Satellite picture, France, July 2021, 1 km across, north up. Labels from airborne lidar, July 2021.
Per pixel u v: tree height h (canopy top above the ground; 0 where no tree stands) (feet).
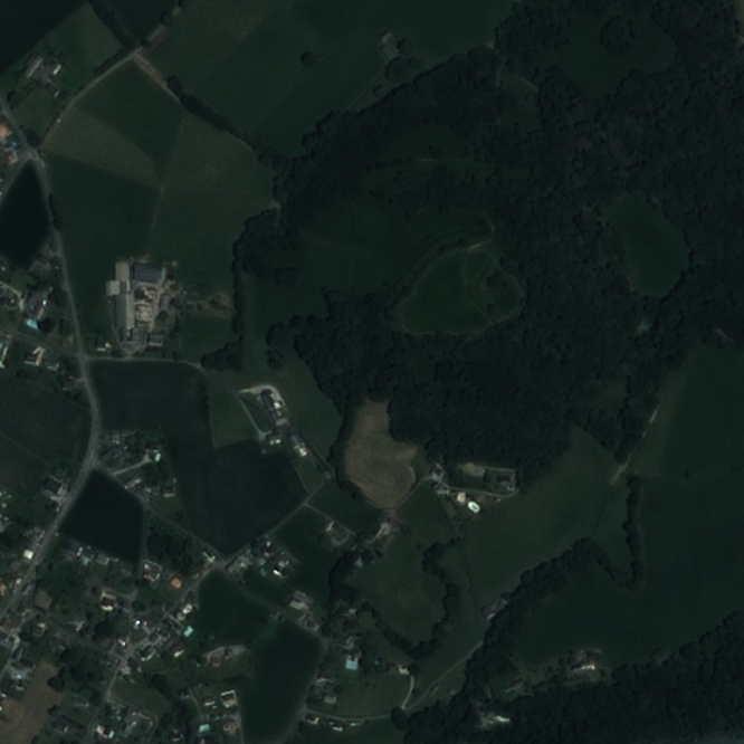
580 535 0
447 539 0
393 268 0
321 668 25
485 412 72
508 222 23
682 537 0
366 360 42
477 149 24
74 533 0
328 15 0
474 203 36
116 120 0
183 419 0
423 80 62
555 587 82
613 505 0
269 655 0
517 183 54
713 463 0
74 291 0
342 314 71
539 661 0
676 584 0
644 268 0
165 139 0
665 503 0
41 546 0
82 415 0
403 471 0
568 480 0
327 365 69
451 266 0
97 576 0
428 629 0
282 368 76
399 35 0
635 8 36
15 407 0
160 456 0
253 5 0
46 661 0
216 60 0
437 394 83
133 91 0
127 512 0
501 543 0
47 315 0
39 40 0
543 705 77
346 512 0
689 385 0
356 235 0
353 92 0
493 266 0
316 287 0
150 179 0
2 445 0
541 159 58
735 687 82
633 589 45
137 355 22
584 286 80
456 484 46
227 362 52
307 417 0
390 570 0
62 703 0
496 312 36
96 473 0
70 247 0
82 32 0
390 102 60
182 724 23
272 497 0
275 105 0
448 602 55
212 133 0
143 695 0
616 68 0
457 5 0
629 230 0
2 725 0
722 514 0
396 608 0
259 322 0
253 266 58
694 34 70
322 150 65
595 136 83
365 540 32
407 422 75
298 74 0
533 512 0
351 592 59
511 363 72
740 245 103
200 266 0
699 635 0
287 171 57
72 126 0
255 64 0
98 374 0
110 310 0
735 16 77
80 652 25
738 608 0
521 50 68
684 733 81
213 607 0
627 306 85
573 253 90
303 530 0
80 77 0
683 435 0
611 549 0
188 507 0
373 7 0
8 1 0
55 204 43
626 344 87
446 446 67
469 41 0
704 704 75
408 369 71
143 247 0
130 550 0
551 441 78
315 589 0
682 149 77
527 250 37
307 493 0
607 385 78
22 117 0
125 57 29
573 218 66
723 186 127
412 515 0
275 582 0
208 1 0
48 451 0
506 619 83
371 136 74
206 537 0
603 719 74
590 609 0
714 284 102
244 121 0
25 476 0
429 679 0
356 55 0
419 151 0
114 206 0
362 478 0
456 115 51
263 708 0
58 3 0
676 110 92
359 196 35
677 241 0
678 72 50
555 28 67
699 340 53
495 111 29
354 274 0
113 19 54
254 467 0
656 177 108
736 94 72
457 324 0
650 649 0
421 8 0
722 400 0
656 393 67
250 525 0
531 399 93
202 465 0
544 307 91
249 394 0
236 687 37
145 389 0
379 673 23
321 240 0
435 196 31
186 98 46
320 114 0
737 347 24
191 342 0
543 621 0
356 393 66
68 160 0
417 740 92
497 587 0
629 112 49
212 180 0
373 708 0
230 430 0
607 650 0
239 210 0
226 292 0
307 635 0
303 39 0
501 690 43
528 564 0
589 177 93
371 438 0
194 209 0
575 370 107
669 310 90
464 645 0
